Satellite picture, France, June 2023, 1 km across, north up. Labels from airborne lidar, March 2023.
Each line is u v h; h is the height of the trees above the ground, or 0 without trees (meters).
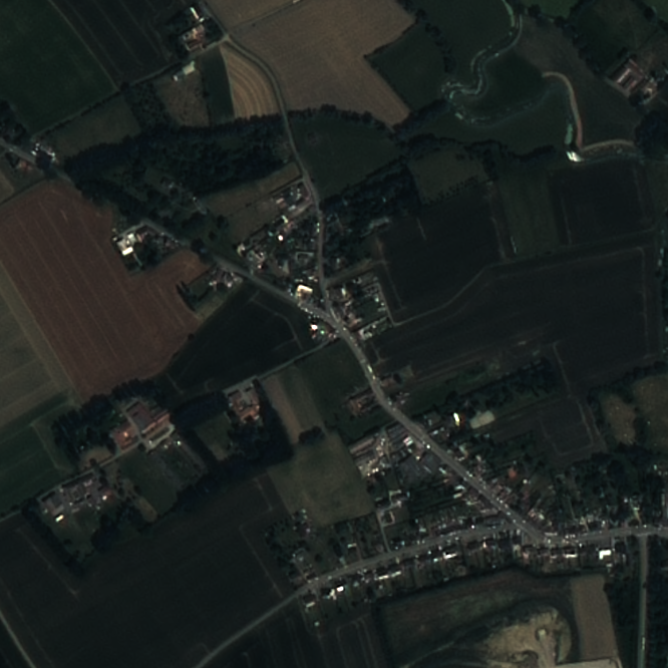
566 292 0
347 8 0
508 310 0
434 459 0
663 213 0
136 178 22
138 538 0
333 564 0
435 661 0
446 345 0
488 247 0
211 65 0
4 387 0
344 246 11
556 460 0
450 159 0
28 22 0
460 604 0
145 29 0
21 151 0
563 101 0
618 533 0
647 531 0
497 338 0
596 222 0
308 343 0
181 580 0
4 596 0
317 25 0
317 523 0
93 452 0
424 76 0
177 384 0
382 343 0
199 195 14
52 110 0
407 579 0
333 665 0
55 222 0
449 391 0
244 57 0
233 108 0
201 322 0
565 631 0
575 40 30
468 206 0
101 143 0
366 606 0
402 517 0
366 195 16
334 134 0
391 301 0
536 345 0
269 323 0
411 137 0
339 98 0
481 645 0
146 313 0
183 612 0
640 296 0
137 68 0
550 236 0
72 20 0
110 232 0
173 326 0
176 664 0
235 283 0
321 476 0
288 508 0
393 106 0
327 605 0
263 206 0
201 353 0
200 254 31
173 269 0
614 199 0
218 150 7
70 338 0
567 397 0
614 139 0
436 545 0
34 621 0
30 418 0
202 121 0
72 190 0
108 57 0
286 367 0
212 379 0
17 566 0
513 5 25
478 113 0
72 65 0
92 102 0
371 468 0
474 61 0
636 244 0
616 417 0
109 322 0
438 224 0
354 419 6
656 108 0
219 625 0
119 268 0
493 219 0
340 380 0
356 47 0
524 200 0
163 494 0
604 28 0
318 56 0
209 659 0
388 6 0
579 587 0
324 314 0
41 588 0
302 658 0
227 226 13
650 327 0
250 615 0
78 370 0
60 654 0
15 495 0
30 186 0
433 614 0
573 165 0
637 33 0
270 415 32
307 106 0
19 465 0
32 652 0
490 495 0
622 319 0
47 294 0
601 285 0
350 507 0
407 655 0
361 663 0
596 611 0
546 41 0
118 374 0
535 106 0
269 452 31
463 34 0
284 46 0
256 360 0
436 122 0
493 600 0
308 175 0
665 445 0
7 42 0
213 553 0
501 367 0
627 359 0
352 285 8
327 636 0
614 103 0
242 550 0
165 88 0
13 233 0
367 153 0
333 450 0
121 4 0
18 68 0
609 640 0
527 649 0
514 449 0
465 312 0
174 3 0
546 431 0
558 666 0
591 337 0
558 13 0
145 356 0
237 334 0
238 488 0
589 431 0
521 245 0
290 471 0
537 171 0
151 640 0
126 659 0
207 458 27
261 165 28
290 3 0
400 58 0
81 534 0
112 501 0
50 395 0
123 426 0
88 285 0
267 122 18
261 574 0
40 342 0
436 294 0
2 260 0
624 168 0
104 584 0
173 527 0
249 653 0
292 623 0
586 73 0
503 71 0
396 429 0
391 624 0
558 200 0
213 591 0
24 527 0
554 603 0
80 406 0
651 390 0
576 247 0
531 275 0
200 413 30
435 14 0
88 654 0
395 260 0
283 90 0
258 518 0
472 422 0
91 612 0
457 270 0
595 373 0
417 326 0
